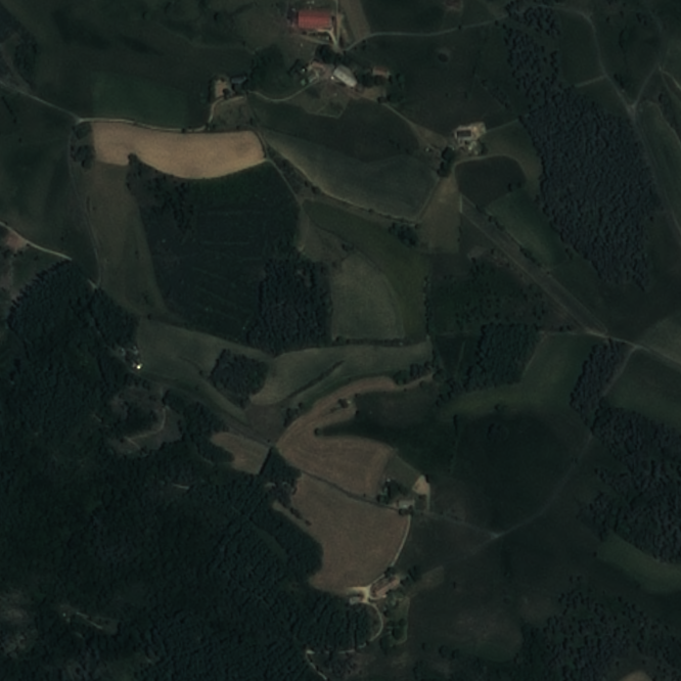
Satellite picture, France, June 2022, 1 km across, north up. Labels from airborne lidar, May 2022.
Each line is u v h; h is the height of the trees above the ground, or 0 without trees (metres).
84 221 0
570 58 0
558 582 0
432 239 0
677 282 0
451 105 0
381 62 0
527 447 0
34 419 19
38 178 0
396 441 0
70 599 10
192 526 9
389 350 0
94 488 7
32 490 12
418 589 0
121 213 0
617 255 20
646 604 0
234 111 0
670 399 0
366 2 0
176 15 0
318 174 0
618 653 16
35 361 10
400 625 8
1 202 0
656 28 0
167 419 0
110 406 9
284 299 21
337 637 16
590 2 0
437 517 0
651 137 0
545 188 13
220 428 15
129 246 0
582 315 0
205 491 16
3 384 24
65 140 0
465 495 0
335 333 0
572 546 0
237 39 0
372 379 0
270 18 0
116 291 0
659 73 0
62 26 0
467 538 0
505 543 0
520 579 0
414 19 0
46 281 36
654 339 0
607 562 0
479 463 0
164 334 0
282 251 10
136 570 8
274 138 0
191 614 20
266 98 0
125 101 0
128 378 15
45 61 0
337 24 0
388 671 0
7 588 8
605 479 19
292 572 14
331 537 0
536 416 0
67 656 14
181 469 7
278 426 0
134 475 10
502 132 0
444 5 0
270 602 18
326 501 0
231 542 14
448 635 0
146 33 0
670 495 15
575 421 0
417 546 0
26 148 0
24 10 0
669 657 13
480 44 0
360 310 0
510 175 0
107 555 9
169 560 12
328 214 0
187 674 22
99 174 0
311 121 0
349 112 0
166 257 0
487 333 20
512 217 0
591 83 0
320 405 0
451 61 0
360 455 0
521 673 11
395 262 0
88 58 0
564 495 0
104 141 0
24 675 13
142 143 0
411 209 0
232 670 24
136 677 8
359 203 0
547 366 0
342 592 0
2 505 19
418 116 0
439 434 0
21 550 11
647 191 17
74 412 17
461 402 0
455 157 16
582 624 12
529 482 0
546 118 14
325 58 11
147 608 10
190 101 0
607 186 15
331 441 0
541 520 0
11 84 0
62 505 11
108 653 15
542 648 18
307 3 0
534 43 16
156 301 0
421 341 0
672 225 0
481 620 0
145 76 0
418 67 0
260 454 0
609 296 0
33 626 11
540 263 8
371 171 0
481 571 0
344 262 0
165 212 11
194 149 0
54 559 10
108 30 0
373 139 0
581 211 12
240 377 15
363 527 0
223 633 8
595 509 18
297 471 14
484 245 0
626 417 23
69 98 0
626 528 13
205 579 7
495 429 17
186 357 0
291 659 19
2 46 0
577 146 16
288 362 0
